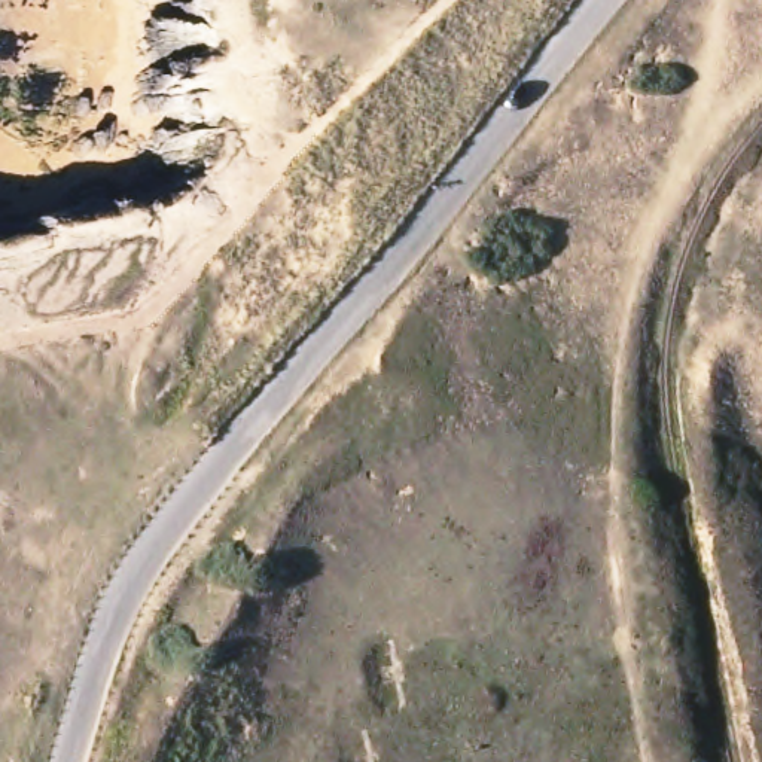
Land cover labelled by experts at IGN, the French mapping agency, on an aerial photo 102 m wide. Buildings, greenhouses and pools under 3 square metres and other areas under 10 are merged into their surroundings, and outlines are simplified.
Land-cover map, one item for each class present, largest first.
<instances>
[{"label":"bare soil","instance_id":"1","mask_svg":"<svg viewBox=\"0 0 762 762\"><path fill-rule=\"evenodd\" d=\"M435 0H0V244L54 232L60 223L113 217L161 202L170 205L191 188L202 196L214 193V188L202 176L214 167V161H238L253 140H259V122L268 116H274V146L286 149L289 134L307 131V125L316 116H324L336 95H342L360 77L363 65L384 51L381 36L390 27H411ZM39 68L63 74L48 107L18 101L21 80ZM583 0H458L304 155L289 161L286 179L268 191V196L250 214L244 229L214 256L205 259L196 286L188 289L158 321L149 357L143 363L146 378L137 390L140 411L128 408V366L107 357L110 339L104 336L83 333L57 339L48 342L42 354L30 342L15 345L9 354L0 351V762H51L80 652L86 646L98 601L110 586L119 563L146 533L161 506L176 494L179 482L199 464V458L226 438L232 423L289 366L298 348L330 318V313L357 289V283L366 274H372V250H378L393 235V229L417 202V196L426 188L441 191L438 176L458 152L461 137L476 143V137L488 128L491 116L500 110L503 101L515 104V83L533 80L530 71L545 54L548 42L572 21ZM705 21V0H667L661 12H655L637 33V39L622 51V57L607 68L610 86L616 89L613 98H592L589 104L572 110L566 143L554 146L545 155L557 161V167L542 173L539 182L527 191V208L566 220L569 241H592V232L598 226L586 220V214L592 211L595 199H643L655 191L658 179L667 173V155L682 134V119L688 113L685 92H640V71L643 63L691 65L705 42L699 24ZM738 60L732 63L729 74L738 83H744L750 74L762 68V0H741V9L732 15ZM679 438H685L688 429H694L697 423L702 429H711L723 438H738L747 429L750 444L762 452V167L756 173L741 176L720 208V220L708 238V268L694 286L685 330L679 339ZM161 238L125 235L110 238L104 244L65 247L36 268L18 262L9 271H0V295H21L27 316L39 321H57L68 316H89L122 307L128 298H137L146 271L155 265ZM673 250L661 241L649 271L646 295L637 307V321L631 327L628 369L634 372V390L625 396V444H631L634 449V470L625 482L631 494L622 500V524L628 536L625 572L634 580L637 592L631 643L637 667L646 676V720L655 762H694V732L682 705L676 652L670 649L673 616L679 607L673 563L658 560L649 551V533L640 524V506L652 503L655 494L667 506L688 500V482L682 473L667 467L661 446V348L655 339V327L664 286L670 277ZM438 283L429 286L396 324V333L381 354V369L363 375L342 396L330 399L318 411L310 429L316 432L324 449L316 458L318 464L304 476L301 494L289 506L283 527L265 551L259 574V589L241 598L235 616L211 646L208 664L191 679V688L182 694L152 762H640L628 685L622 661L613 646L616 616L607 577V313L601 307H572L569 274L554 262L542 274H530L512 283L488 280L479 271L467 274V280H455L446 268H435ZM714 560L723 577L729 622L744 664L750 726L762 759V652L756 634L753 572L744 563V551L735 539H723L720 533L714 536Z\"/></svg>","mask_w":762,"mask_h":762},{"label":"pervious surface","instance_id":"2","mask_svg":"<svg viewBox=\"0 0 762 762\"><path fill-rule=\"evenodd\" d=\"M458 0H435L411 27H390L381 36L384 51L363 65L360 77L342 95H336L324 116H316L307 125V131L289 134L286 149L274 146V116H268L259 122V140H253L238 161H214V167L202 176L214 188V193L202 196L191 188L170 205L161 202L113 217L60 223L54 232L0 244V271H9L18 262L36 268L65 247L104 244L110 238L125 235L161 238L155 265L146 271L137 298H128L122 307L89 316H68L57 321H39L27 316L21 295H0V351L9 354L15 345L30 342L42 354L48 342L57 339L83 333L104 336L110 339L107 357L128 366V408L140 411L137 390L146 378L143 363L149 357L158 321L188 289L196 286L205 259L214 256L244 229L250 214L268 196V191L286 179L289 161L304 155ZM667 0H625L613 12V18L592 36V42L583 48L574 65L557 83H548L545 95L536 101L542 107L539 119L530 125V131H518L512 137V143L500 152V158L491 164L482 182L470 191L458 214L449 217L446 229L432 241V247L423 253L414 271L360 321V327L333 351V357L307 384V390L283 414V420L247 455L241 470H247L250 464H262L265 473L235 497L232 509L238 512L241 524L232 536L238 539L235 554L244 557L247 566L259 574L265 551L283 527L289 506L301 494L304 476L318 464L316 458L324 449L316 432L310 429L318 411L330 399L342 396L363 375L381 369V354L396 333V324L429 286L438 283L435 268H446L455 280H467V274L479 271L467 253L482 244L485 217L527 208V191L539 182L542 173L557 167V161L545 155L554 146L566 143L572 110L589 104L592 98H613L616 89L610 86L607 68L622 57V51L637 39V33L655 12H661ZM741 9V0H705V21L699 24L705 42L691 65L697 71V80L685 92L688 113L682 119V134L667 155V173L658 179L655 191L643 199H595L592 211L586 214V220L598 226L592 232V241H569L554 262L569 274L572 307H601L607 313V577L616 616L613 646L622 661L628 685L640 762H655L646 720V676L637 667L631 643L637 592L634 580L625 572L628 536L622 524V500L631 494L625 482L634 470V449L631 444H625V396L634 390V372L628 369L631 327L637 321V307L646 295L649 271L661 241L673 250L670 277L664 286L655 327V339L661 348V446L667 467L682 473L688 482V500L699 566L708 583V607L717 634L720 682L726 694L735 762H762V759L750 726L744 664L729 622L723 577L714 560V536L711 429H702L697 423L694 429H688L685 438H679V339L685 330L694 286L708 268V238L720 220V208L741 176L756 173L762 167V68L750 74L744 83H738L729 74L732 63L738 60L732 15ZM241 598L232 586L202 580L191 566L173 586L149 631L155 637L167 628H182V634L193 628L199 643L211 646L235 616ZM191 688V679L149 670L146 652H140L134 658V670L119 697L113 720L98 726L89 762H152L182 694Z\"/></svg>","mask_w":762,"mask_h":762},{"label":"impervious surface","instance_id":"3","mask_svg":"<svg viewBox=\"0 0 762 762\"><path fill-rule=\"evenodd\" d=\"M625 0H583L572 21L548 42L545 54L530 71L533 80L515 83V104L503 101L500 110L491 116L488 128L476 137V143L461 137L458 152L438 176L441 191L426 188L417 196V202L393 229V235L378 250H372V274H366L357 283V289L330 313V318L298 348L289 366L232 423L226 438L199 458V464L179 482L176 494L161 506L146 533L119 563L110 586L98 601L86 646L80 652L51 762H89L98 726L113 720L119 697L134 670V658L140 652L143 637L149 631L173 586L191 566L205 557L223 515L232 509L235 497L265 473L262 464H250L247 470H241L247 455L283 420V414L307 390V384L333 357V351L360 327V321L414 271L423 253L432 247V241L446 229L449 217L458 214L470 191L482 182L491 164L500 158V152L512 143V137L518 131H530V125L539 119L542 107L536 101L545 95L548 83H557L574 65L583 48L592 42V36L613 18V12ZM697 80V71L691 65L643 63L640 71V92H685ZM569 241L566 220L527 208L485 217L482 244L467 253L479 271L488 280L512 283L530 274H542L554 262Z\"/></svg>","mask_w":762,"mask_h":762},{"label":"brushwood","instance_id":"4","mask_svg":"<svg viewBox=\"0 0 762 762\"><path fill-rule=\"evenodd\" d=\"M714 536L720 533L723 539H735L744 551V563L753 572L756 634L762 652V452L750 444L747 429L738 438H723L711 429ZM640 524L649 533V551L658 560L673 563L679 607L673 616L670 649L676 652L682 705L694 732V762H735L726 694L720 682L717 634L708 607V583L699 566L688 500L667 506L655 494L652 503L640 506ZM241 524L238 512L232 509L223 515L205 557L191 566L202 580L232 586L241 598L259 589V574L247 566L244 557L235 554L238 539L232 536ZM140 652H146L149 670L191 679L208 664L211 646L199 643L193 628L182 634V628H167L155 637L149 631L143 637Z\"/></svg>","mask_w":762,"mask_h":762},{"label":"herbaceous vegetation","instance_id":"5","mask_svg":"<svg viewBox=\"0 0 762 762\"><path fill-rule=\"evenodd\" d=\"M63 74L39 68L21 80L18 101L48 107Z\"/></svg>","mask_w":762,"mask_h":762}]
</instances>
